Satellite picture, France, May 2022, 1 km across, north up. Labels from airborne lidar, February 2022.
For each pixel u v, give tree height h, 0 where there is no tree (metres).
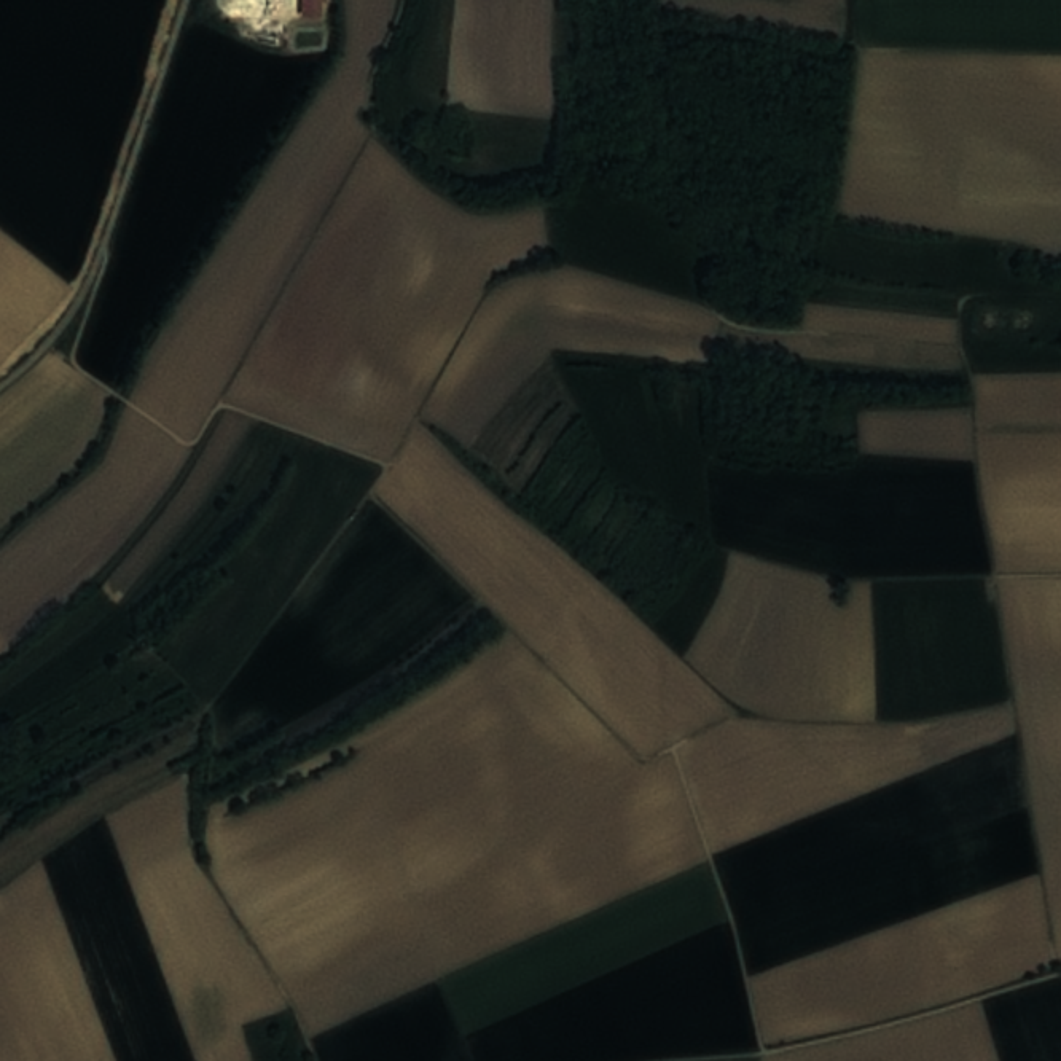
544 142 0
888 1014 0
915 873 0
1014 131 0
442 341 0
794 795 0
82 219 0
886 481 0
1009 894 0
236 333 0
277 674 0
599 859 0
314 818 0
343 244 0
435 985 0
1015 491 0
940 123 0
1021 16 0
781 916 0
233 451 0
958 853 0
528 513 8
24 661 0
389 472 0
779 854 0
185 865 0
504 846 0
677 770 0
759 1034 0
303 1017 0
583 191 0
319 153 0
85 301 0
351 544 0
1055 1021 0
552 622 0
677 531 6
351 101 0
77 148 0
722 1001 0
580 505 6
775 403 16
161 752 0
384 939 0
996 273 0
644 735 0
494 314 0
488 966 0
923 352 0
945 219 0
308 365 0
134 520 0
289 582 0
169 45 0
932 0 0
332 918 0
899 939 0
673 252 0
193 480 0
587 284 0
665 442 0
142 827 0
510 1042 0
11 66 0
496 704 0
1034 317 0
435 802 0
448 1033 0
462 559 0
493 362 0
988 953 0
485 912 0
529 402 0
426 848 0
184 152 0
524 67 0
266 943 0
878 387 20
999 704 0
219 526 0
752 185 16
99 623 0
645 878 0
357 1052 0
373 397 0
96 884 0
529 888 0
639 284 0
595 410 0
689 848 0
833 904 0
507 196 20
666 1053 0
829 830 0
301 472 0
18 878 0
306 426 0
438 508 0
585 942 0
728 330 0
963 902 0
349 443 0
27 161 0
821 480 0
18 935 0
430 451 0
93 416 0
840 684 0
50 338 0
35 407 0
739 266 24
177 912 0
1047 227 0
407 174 0
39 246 0
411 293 0
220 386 0
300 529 0
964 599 0
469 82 0
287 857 0
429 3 0
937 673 0
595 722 0
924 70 0
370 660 0
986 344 0
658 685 0
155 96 0
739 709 0
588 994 0
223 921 0
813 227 8
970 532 0
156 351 0
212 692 0
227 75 0
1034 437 0
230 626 0
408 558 0
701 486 0
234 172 0
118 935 0
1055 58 0
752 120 17
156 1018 0
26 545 0
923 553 0
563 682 0
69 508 0
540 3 0
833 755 0
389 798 0
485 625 18
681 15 16
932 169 0
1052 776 0
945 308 0
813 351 0
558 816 0
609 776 0
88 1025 0
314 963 0
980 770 0
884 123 0
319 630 0
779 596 0
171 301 16
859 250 0
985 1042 0
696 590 0
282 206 0
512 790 0
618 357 0
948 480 0
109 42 0
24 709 0
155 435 0
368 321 0
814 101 22
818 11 0
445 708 0
